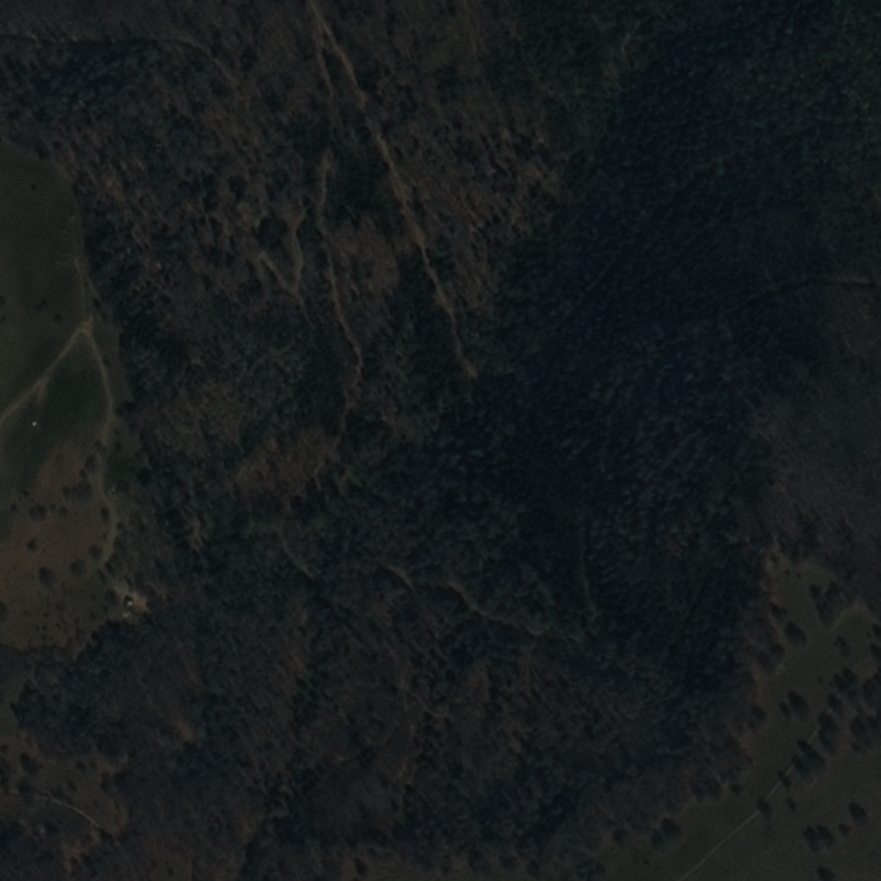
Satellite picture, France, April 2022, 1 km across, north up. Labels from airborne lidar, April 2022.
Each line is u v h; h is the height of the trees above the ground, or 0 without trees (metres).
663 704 30
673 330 17
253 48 16
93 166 29
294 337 23
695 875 0
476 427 14
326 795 10
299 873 17
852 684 17
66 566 0
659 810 23
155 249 32
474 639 25
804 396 20
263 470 16
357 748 8
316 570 22
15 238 0
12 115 19
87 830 0
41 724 22
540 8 34
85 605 0
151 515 25
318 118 24
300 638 33
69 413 0
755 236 21
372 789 14
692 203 25
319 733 31
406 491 32
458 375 20
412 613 13
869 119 27
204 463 25
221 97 19
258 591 19
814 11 29
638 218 28
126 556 25
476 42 13
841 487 15
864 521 19
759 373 20
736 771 17
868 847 0
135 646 26
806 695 0
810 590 0
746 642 29
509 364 20
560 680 9
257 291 21
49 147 15
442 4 19
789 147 31
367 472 24
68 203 0
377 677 10
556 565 11
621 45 28
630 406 13
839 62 33
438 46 24
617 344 25
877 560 20
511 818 29
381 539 29
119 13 21
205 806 32
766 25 33
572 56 30
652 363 13
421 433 30
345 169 24
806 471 16
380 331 13
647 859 0
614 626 25
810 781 14
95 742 17
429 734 8
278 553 21
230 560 16
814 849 13
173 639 29
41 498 0
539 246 23
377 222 14
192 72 20
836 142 30
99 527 0
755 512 13
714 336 17
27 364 0
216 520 31
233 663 34
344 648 26
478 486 28
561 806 29
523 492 20
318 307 20
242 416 27
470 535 33
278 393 25
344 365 16
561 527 18
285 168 19
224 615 31
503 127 19
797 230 21
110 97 22
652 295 23
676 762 20
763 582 20
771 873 0
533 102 28
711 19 29
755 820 0
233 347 28
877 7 31
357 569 32
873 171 30
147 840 24
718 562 19
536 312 25
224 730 31
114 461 0
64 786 0
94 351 0
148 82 13
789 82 35
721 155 31
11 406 0
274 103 17
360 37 25
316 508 18
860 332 26
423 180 6
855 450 19
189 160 28
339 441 12
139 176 29
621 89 30
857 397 22
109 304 24
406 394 30
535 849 21
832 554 14
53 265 0
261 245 34
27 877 22
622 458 13
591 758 14
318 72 18
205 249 10
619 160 33
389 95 8
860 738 17
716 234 18
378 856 15
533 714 7
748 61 35
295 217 14
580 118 30
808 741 0
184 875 0
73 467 0
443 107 23
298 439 17
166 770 29
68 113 11
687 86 23
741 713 20
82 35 19
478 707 9
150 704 25
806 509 16
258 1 16
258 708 35
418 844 19
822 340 22
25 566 0
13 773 19
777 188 24
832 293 23
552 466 21
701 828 0
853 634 0
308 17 21
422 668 30
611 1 30
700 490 20
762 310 22
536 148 8
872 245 27
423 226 14
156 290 32
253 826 22
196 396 26
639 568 24
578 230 20
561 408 22
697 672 18
